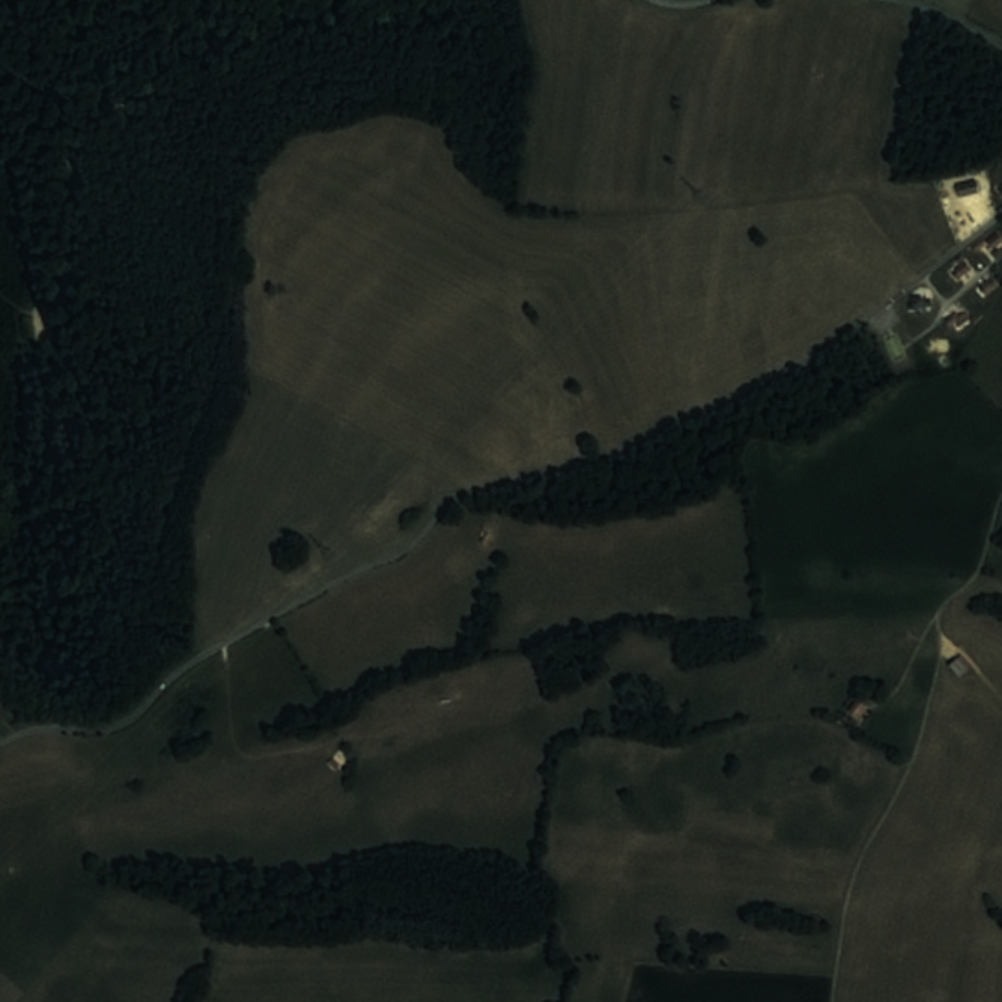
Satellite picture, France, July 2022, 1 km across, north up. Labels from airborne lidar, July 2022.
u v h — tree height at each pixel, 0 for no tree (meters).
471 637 17
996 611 9
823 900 0
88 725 23
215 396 20
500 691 0
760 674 0
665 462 28
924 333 0
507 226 0
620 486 23
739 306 0
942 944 0
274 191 0
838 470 0
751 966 0
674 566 0
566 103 0
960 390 0
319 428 0
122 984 0
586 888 0
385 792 0
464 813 0
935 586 0
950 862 0
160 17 35
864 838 0
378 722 0
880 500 0
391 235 0
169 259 16
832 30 0
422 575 0
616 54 0
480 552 0
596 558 0
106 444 29
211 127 22
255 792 0
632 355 0
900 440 0
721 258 0
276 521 0
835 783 0
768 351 0
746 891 0
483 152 25
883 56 0
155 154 18
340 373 0
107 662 30
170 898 13
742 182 0
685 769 0
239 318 19
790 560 0
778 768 0
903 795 0
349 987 0
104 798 0
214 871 25
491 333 0
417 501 0
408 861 17
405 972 0
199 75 31
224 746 0
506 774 0
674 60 0
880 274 0
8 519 28
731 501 0
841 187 0
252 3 41
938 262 0
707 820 0
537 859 16
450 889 16
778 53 0
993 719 0
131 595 27
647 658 0
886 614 0
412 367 0
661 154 0
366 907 23
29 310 0
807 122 0
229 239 19
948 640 0
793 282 0
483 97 22
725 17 0
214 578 0
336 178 0
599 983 0
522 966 0
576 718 0
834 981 0
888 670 0
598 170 0
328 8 12
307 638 0
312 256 0
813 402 25
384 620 0
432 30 38
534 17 0
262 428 0
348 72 26
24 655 34
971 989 0
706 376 0
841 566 0
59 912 0
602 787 0
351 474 0
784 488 0
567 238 0
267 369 0
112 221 17
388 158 0
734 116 0
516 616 0
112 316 25
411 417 0
